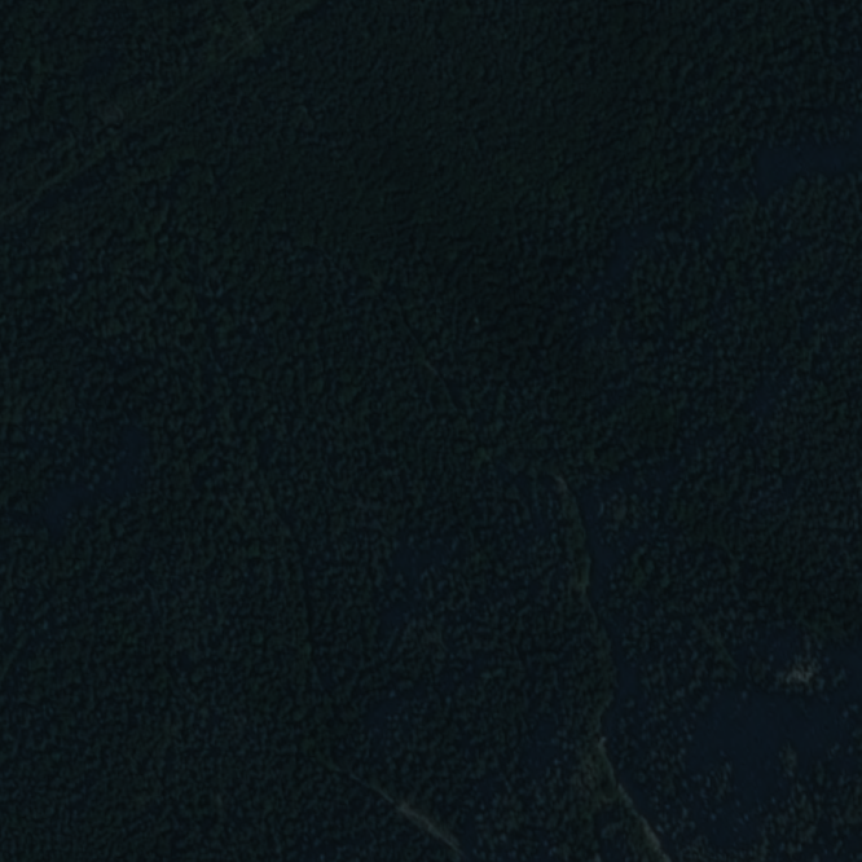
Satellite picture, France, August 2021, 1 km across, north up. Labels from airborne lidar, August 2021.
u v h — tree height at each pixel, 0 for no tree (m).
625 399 16
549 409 22
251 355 13
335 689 28
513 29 29
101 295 29
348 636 19
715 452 15
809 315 23
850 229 24
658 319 30
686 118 20
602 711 12
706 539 12
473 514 19
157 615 25
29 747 20
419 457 19
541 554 17
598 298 16
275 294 19
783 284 14
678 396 23
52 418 19
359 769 23
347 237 31
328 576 23
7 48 26
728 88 18
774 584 21
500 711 18
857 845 8
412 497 24
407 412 25
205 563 20
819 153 24
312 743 15
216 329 19
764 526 22
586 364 23
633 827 9
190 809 18
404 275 29
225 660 20
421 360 28
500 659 21
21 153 24
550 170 26
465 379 32
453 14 29
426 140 30
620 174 28
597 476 22
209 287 24
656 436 23
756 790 15
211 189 20
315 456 13
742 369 24
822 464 23
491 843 28
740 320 22
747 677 10
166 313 8
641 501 7
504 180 23
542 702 26
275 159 26
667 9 33
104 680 25
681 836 26
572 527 9
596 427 21
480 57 29
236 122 25
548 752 18
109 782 26
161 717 18
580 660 22
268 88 29
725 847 20
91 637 14
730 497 17
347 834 23
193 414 19
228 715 25
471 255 26
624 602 18
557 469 11
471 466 23
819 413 25
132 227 23
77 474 35
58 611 18
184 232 20
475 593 14
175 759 22
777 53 18
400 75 30
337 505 18
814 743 13
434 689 18
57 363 30
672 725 22
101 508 23
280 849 40
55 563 23
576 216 21
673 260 10
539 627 25
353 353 21
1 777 21
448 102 26
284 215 26
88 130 16
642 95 34
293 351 22
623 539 9
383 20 28
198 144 25
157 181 11
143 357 16
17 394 24
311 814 19
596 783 7
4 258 25
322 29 29
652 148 25
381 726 15
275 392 21
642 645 15
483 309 28
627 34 28
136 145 26
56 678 16
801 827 25
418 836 26
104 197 25
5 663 21
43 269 28
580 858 6
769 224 21
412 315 33
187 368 8
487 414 25
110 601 24
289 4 20
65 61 25
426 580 23
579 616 19
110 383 30
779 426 25
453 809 7
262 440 18
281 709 17
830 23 18
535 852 20
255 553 23
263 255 24
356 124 31
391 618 23
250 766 27
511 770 29
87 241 22
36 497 28
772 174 19
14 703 18
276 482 19
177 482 22
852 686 11
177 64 13
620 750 19
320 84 27
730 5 20
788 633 10
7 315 23
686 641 10
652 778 24
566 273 30
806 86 21
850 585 26
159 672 28
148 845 28
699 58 26
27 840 23
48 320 24
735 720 21
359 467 27
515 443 15
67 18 29
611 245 27
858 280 20
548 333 30
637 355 25
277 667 20
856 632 13
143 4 14
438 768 16
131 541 21
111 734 27
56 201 8
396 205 29
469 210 36
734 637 18
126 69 23
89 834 28
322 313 25
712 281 27
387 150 32
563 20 33
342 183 31
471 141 32
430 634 14
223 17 18
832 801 22
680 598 24
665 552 17
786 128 27
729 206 33
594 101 24
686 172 26
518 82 27
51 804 22
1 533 24
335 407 15
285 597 25
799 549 24
